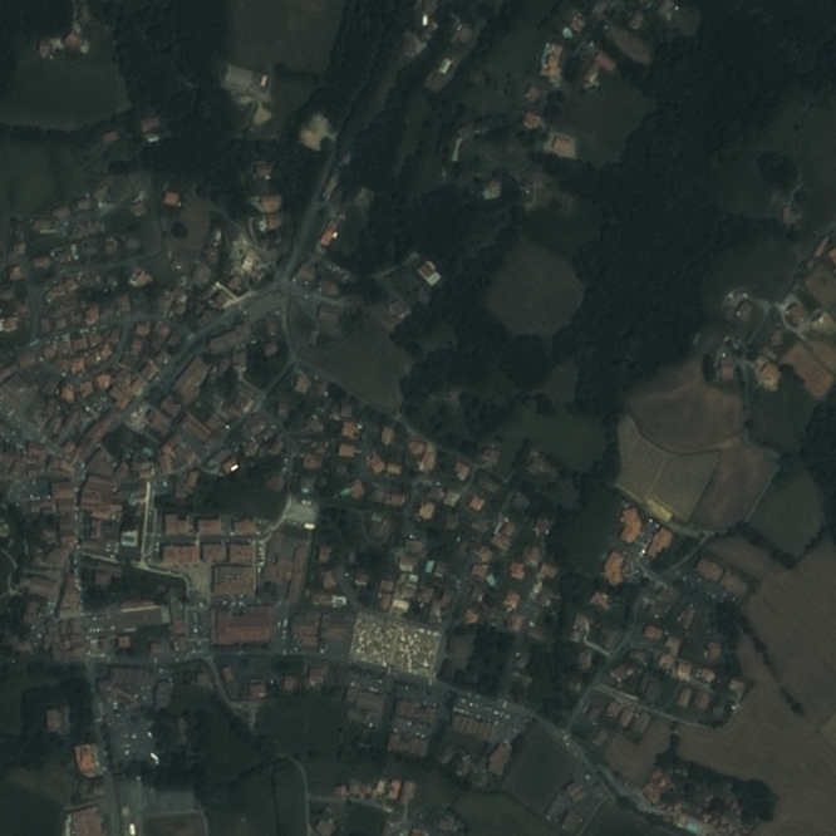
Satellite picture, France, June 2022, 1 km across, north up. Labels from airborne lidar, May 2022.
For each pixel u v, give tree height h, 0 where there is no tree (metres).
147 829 0
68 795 0
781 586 0
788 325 0
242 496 0
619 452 13
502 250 17
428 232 24
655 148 23
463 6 15
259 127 0
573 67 13
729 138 18
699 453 0
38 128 8
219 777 0
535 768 0
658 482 0
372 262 27
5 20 25
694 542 14
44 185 0
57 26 17
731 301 0
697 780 18
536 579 0
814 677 0
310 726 0
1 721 0
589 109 0
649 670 8
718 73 23
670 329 23
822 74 16
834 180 0
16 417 0
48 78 0
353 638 0
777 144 0
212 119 23
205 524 0
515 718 0
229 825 0
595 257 22
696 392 0
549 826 0
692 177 27
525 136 11
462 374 29
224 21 18
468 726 0
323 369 0
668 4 0
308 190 17
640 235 25
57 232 0
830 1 23
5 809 0
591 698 0
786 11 19
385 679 8
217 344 0
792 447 0
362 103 16
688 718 0
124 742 0
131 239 0
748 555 0
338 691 11
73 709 17
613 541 0
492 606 11
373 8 22
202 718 22
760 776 0
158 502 6
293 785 0
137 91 21
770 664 9
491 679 19
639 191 27
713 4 24
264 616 0
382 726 0
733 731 0
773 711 0
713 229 20
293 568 0
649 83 22
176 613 0
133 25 23
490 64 0
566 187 21
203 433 0
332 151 7
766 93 28
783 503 0
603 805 0
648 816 8
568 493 0
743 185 0
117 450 10
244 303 0
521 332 0
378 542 0
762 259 0
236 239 0
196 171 22
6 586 0
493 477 6
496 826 0
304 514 0
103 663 0
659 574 15
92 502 0
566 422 0
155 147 15
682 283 27
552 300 0
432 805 0
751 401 0
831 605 0
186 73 25
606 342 29
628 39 0
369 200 0
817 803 0
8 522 0
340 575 0
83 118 0
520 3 16
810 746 0
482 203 7
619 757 0
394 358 0
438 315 22
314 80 8
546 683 0
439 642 0
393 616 0
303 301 0
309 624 0
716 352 0
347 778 0
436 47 15
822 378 0
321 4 0
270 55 0
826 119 0
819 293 0
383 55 16
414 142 0
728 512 0
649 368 26
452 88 9
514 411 6
